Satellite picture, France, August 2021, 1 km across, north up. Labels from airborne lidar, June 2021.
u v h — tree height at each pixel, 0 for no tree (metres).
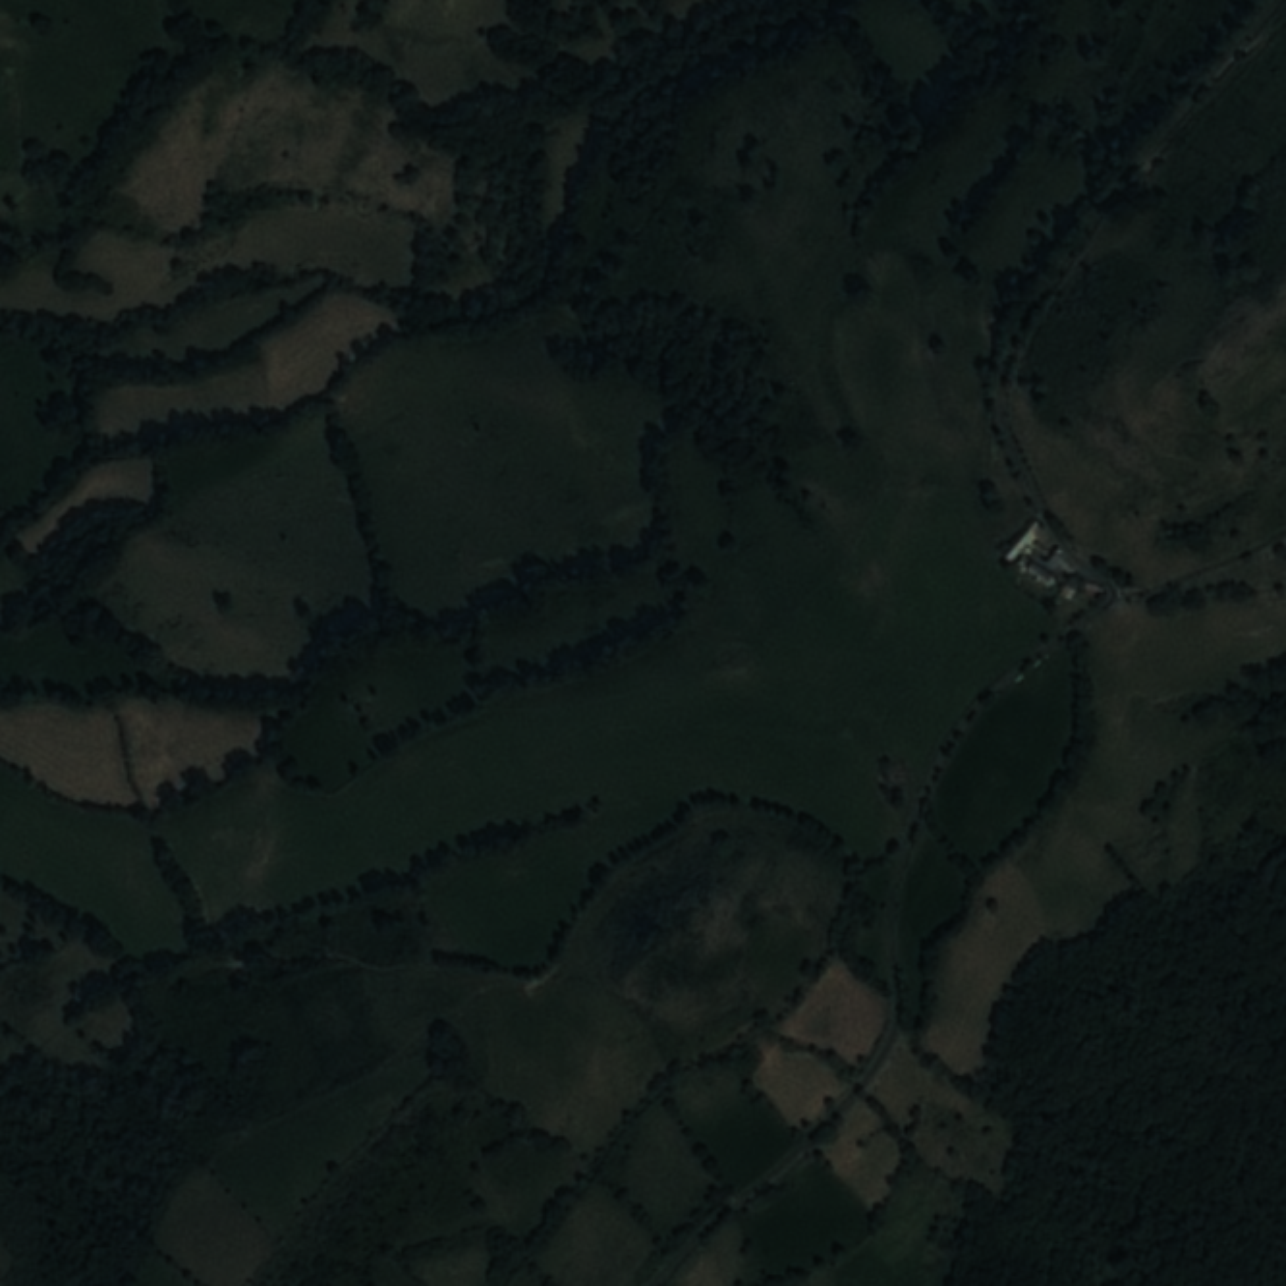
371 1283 7
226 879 0
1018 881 0
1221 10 0
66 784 0
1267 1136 17
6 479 0
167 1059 10
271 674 0
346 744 0
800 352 0
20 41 0
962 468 0
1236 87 0
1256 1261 29
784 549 0
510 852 11
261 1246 0
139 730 0
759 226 0
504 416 0
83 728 0
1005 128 0
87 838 0
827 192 0
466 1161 0
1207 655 0
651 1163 0
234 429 18
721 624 0
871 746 0
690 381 25
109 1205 9
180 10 16
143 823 13
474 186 13
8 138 0
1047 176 0
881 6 0
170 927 0
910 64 0
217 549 0
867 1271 0
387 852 0
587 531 0
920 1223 0
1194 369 0
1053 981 21
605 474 0
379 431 0
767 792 0
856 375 0
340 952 0
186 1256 0
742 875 0
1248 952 21
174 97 23
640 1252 0
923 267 0
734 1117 0
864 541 0
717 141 0
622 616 0
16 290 0
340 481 0
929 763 0
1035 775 0
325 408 8
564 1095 0
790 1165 0
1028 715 0
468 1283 0
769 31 23
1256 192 9
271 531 0
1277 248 0
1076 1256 25
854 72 0
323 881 0
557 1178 0
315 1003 0
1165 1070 22
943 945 14
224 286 19
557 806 0
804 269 0
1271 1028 29
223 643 0
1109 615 0
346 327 0
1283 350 0
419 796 0
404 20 0
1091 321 0
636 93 23
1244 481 0
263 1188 0
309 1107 0
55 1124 10
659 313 17
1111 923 15
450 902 0
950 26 22
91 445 8
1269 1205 24
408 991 0
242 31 0
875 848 0
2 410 0
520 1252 15
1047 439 0
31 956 18
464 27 0
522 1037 0
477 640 16
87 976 0
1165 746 0
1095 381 0
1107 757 0
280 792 0
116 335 16
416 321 17
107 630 23
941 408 0
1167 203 9
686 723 0
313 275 6
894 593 0
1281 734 20
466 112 17
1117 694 0
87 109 0
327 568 0
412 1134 12
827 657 0
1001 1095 24
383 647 22
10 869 0
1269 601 0
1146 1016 18
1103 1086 19
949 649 0
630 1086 0
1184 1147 25
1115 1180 20
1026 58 21
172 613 0
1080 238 19
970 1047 0
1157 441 0
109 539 13
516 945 0
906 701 0
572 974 0
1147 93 0
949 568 0
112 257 0
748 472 9
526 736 0
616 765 0
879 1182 0
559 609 0
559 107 23
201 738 0
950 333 0
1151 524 0
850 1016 0
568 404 0
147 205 0
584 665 15
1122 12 11
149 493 0
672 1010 0
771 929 0
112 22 0
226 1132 0
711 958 0
